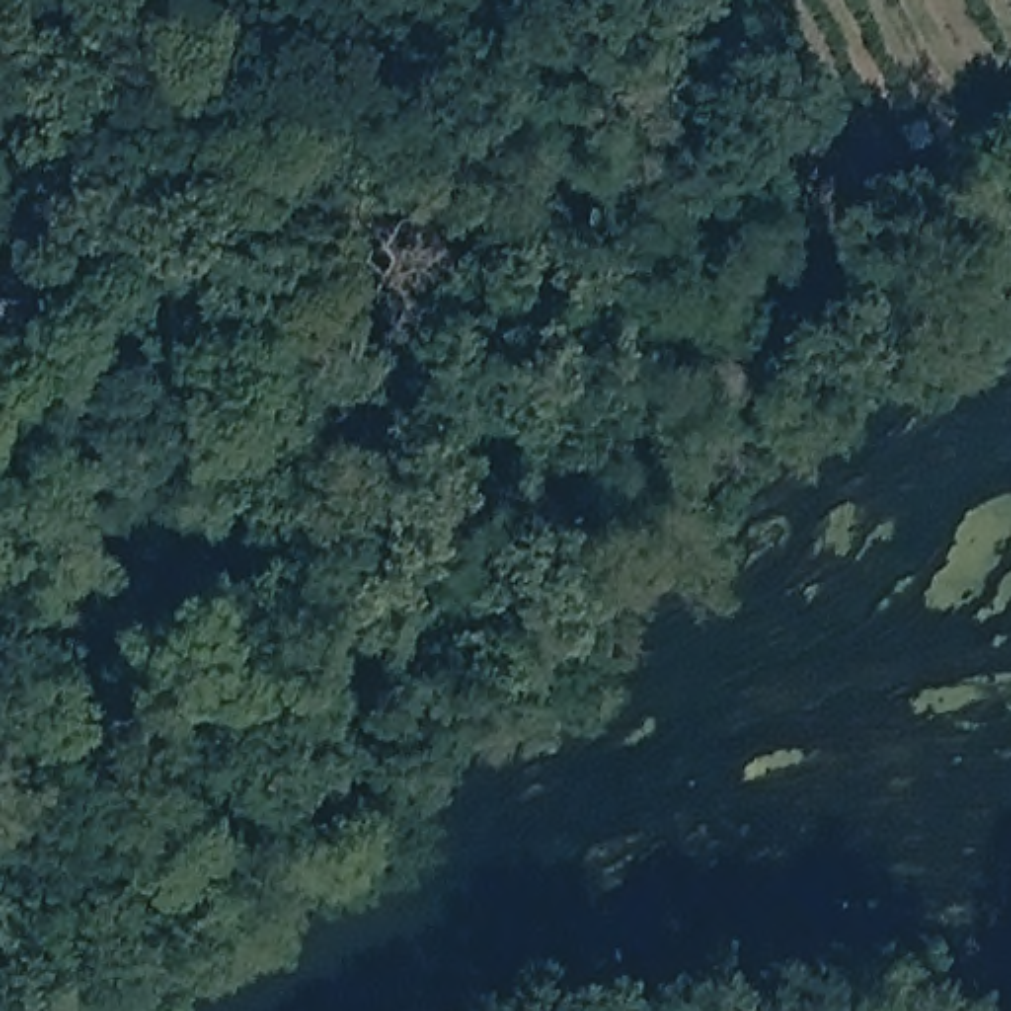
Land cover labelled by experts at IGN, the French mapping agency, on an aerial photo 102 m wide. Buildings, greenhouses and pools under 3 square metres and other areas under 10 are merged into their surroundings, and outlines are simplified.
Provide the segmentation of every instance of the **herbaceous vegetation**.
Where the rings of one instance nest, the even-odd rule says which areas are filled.
[[[817,20],[802,0],[798,0],[798,28],[810,51],[817,55],[821,71],[837,67],[829,59],[829,43]]]
[[[24,190],[43,182],[43,190],[20,201],[0,241],[0,336],[24,336],[36,320],[39,292],[16,276],[12,241],[47,237],[47,201],[71,197],[71,162],[39,162],[8,178]]]
[[[375,51],[383,59],[383,87],[423,87],[434,71],[446,67],[442,32],[423,20],[407,39],[375,36]]]
[[[715,616],[735,616],[735,581],[707,577],[703,604]]]
[[[968,604],[995,565],[995,545],[1003,537],[1011,541],[1011,494],[975,506],[960,521],[948,565],[932,577],[928,588],[932,608]]]
[[[786,517],[758,521],[750,513],[735,533],[742,549],[742,569],[790,541]]]
[[[446,237],[438,221],[415,225],[399,213],[375,213],[367,233],[375,261],[371,344],[383,344],[391,328],[407,332],[407,324],[415,320],[415,304],[427,304],[434,288],[442,288],[454,276],[458,261],[470,253],[478,237]]]
[[[833,194],[833,205],[845,213],[861,205],[865,182],[877,174],[956,170],[972,154],[972,134],[987,130],[995,115],[1011,107],[1011,0],[987,0],[1003,32],[1003,43],[987,47],[979,28],[964,12],[964,0],[869,0],[869,12],[881,28],[889,55],[896,63],[916,63],[924,55],[932,83],[920,87],[912,111],[893,111],[881,99],[857,111],[829,150],[794,158],[798,186]]]
[[[237,340],[241,320],[201,320],[197,300],[166,296],[158,304],[162,340]]]
[[[829,513],[825,533],[814,541],[817,553],[849,553],[853,506],[841,506]]]
[[[486,438],[470,446],[474,458],[490,458],[482,506],[494,513],[509,509],[509,537],[529,533],[533,517],[545,517],[549,529],[604,533],[596,502],[600,486],[592,486],[588,474],[545,474],[545,490],[533,502],[521,494],[521,446],[509,438]]]
[[[683,340],[640,340],[640,355],[660,351],[663,371],[699,367],[703,351]]]
[[[577,194],[569,182],[557,182],[553,194],[565,205],[553,209],[553,225],[592,245],[592,197]]]
[[[363,403],[348,411],[344,423],[328,423],[320,438],[332,446],[363,446],[375,454],[391,450],[395,419],[383,407]]]
[[[837,241],[825,233],[806,237],[806,269],[798,284],[774,308],[762,348],[750,359],[742,359],[746,391],[739,419],[746,427],[758,427],[758,403],[766,387],[782,379],[790,367],[798,367],[798,351],[786,348],[786,336],[802,332],[802,324],[817,324],[829,300],[845,300],[849,272],[837,261]]]
[[[885,75],[865,51],[861,28],[845,0],[825,0],[825,8],[841,24],[857,79],[873,87],[885,83]]]
[[[115,592],[87,624],[79,620],[79,628],[87,648],[91,699],[107,715],[130,719],[134,695],[150,687],[150,671],[130,667],[130,660],[118,652],[122,632],[130,632],[134,624],[174,628],[178,604],[190,596],[213,596],[217,577],[249,581],[269,569],[257,545],[245,545],[245,525],[233,521],[225,541],[142,525],[130,537],[103,541],[103,553],[126,569],[126,588]]]
[[[999,703],[1003,711],[1011,711],[1011,671],[972,675],[960,687],[936,687],[912,699],[920,715],[944,715],[968,703]]]

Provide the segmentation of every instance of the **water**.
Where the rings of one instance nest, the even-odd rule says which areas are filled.
[[[1003,711],[999,703],[968,703],[944,715],[920,715],[912,699],[936,687],[960,687],[972,675],[1011,671],[1011,541],[1003,537],[995,545],[995,565],[968,604],[932,608],[928,588],[932,577],[948,565],[960,521],[975,506],[1011,494],[1011,367],[991,391],[964,399],[948,415],[881,407],[877,415],[869,415],[865,442],[853,454],[825,458],[817,482],[770,482],[754,498],[750,513],[758,521],[786,517],[790,541],[742,569],[735,581],[735,616],[715,616],[703,604],[683,596],[663,596],[656,604],[656,616],[644,632],[640,667],[624,675],[624,707],[600,739],[561,739],[553,754],[537,754],[525,762],[470,762],[450,806],[438,814],[438,865],[423,873],[419,889],[383,896],[367,912],[316,920],[304,932],[300,960],[292,972],[261,975],[233,995],[197,1003],[197,1011],[498,1011],[517,987],[529,987],[529,964],[561,964],[561,991],[616,987],[616,979],[663,987],[679,975],[703,983],[723,964],[731,940],[754,936],[778,940],[802,968],[821,964],[825,940],[869,948],[885,936],[889,948],[896,944],[908,956],[928,952],[932,944],[948,944],[960,995],[979,1003],[995,991],[999,1011],[1011,1011],[1011,711]],[[814,541],[825,533],[829,513],[841,506],[853,506],[849,553],[817,553]],[[802,750],[802,762],[770,770],[762,778],[746,778],[746,762],[774,750]]]

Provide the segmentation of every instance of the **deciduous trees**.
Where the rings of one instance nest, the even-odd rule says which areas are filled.
[[[932,83],[924,55],[916,63],[896,63],[889,55],[881,28],[869,12],[869,0],[845,0],[861,28],[865,51],[885,75],[885,83],[873,87],[857,79],[841,24],[825,8],[825,0],[802,0],[817,20],[829,43],[829,59],[837,67],[821,71],[817,55],[810,51],[798,28],[798,0],[0,0],[0,241],[20,201],[43,190],[43,182],[24,190],[8,178],[39,162],[71,162],[71,197],[47,201],[47,237],[12,241],[16,276],[39,292],[36,320],[24,336],[0,336],[0,1011],[197,1011],[197,1003],[233,995],[261,975],[292,972],[300,960],[304,932],[316,920],[367,912],[383,896],[419,889],[423,873],[438,865],[438,814],[450,806],[470,762],[525,762],[537,754],[553,754],[561,739],[600,739],[624,707],[624,675],[640,667],[644,632],[656,616],[656,604],[663,596],[683,596],[703,604],[707,577],[735,581],[742,569],[742,549],[735,533],[750,513],[754,498],[770,482],[817,482],[825,458],[853,454],[865,442],[869,415],[877,415],[881,407],[948,415],[964,399],[991,391],[1011,367],[1011,107],[995,115],[987,130],[972,134],[972,154],[956,170],[877,174],[865,182],[861,205],[845,213],[833,205],[833,194],[798,186],[794,158],[829,150],[857,111],[881,99],[893,111],[912,111],[920,87]],[[375,36],[407,39],[423,20],[442,32],[446,67],[434,71],[423,87],[383,87],[383,59],[375,51]],[[557,182],[569,182],[577,194],[592,197],[592,245],[553,225],[553,209],[565,205],[553,194]],[[438,221],[446,237],[478,237],[470,253],[458,261],[454,276],[442,288],[434,288],[427,304],[415,304],[415,320],[407,324],[407,332],[391,328],[383,344],[371,344],[375,261],[367,233],[375,213],[399,213],[415,225]],[[774,308],[798,284],[806,269],[806,237],[825,233],[837,241],[837,261],[849,272],[845,300],[829,300],[817,324],[802,324],[802,332],[786,336],[786,348],[798,351],[798,367],[790,367],[782,379],[766,387],[758,403],[758,427],[746,427],[739,419],[746,391],[742,359],[750,359],[762,348]],[[241,320],[237,340],[162,340],[158,304],[166,296],[197,300],[201,320]],[[663,371],[660,351],[640,355],[640,340],[683,340],[703,351],[699,367]],[[395,419],[391,450],[375,454],[363,446],[332,446],[320,438],[328,423],[344,423],[348,411],[363,403],[383,407]],[[596,502],[604,533],[549,529],[545,517],[533,517],[529,533],[509,537],[509,509],[494,513],[482,506],[490,458],[474,458],[470,446],[486,438],[509,438],[521,446],[521,494],[533,502],[545,490],[545,474],[588,474],[592,486],[600,486]],[[269,569],[249,581],[217,577],[213,596],[190,596],[178,604],[174,628],[134,624],[130,632],[122,632],[118,652],[130,660],[130,667],[150,671],[150,687],[134,695],[130,719],[107,715],[91,699],[87,648],[79,628],[79,620],[87,624],[115,592],[126,588],[126,569],[103,553],[103,541],[130,537],[142,525],[225,541],[233,521],[245,525],[245,545],[257,545]]]
[[[964,0],[964,12],[979,28],[987,47],[1003,43],[1003,32],[987,0]]]
[[[825,940],[821,964],[802,968],[778,940],[754,936],[731,940],[723,964],[703,983],[679,975],[663,987],[616,979],[616,987],[561,991],[561,964],[529,964],[529,987],[517,987],[498,1011],[999,1011],[995,991],[979,1003],[960,995],[948,944],[932,944],[928,952],[908,956],[896,944],[889,948],[885,936],[869,948]]]

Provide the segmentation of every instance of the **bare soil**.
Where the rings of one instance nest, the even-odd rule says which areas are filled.
[[[746,778],[762,778],[770,770],[802,762],[802,750],[774,750],[746,762]]]

